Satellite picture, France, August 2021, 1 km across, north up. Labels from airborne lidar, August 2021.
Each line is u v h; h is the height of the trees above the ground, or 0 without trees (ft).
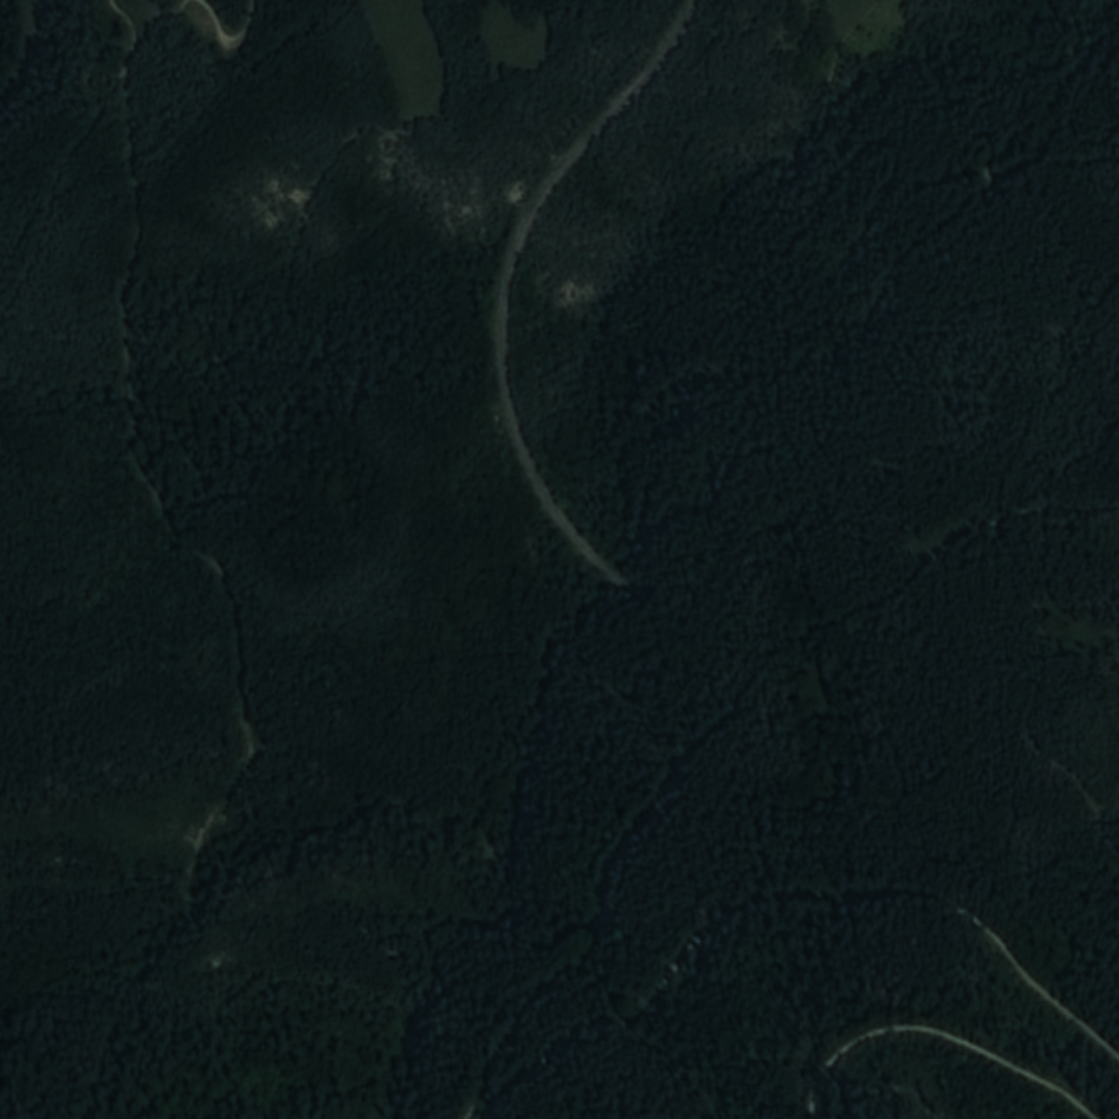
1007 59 44
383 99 50
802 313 100
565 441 82
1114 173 58
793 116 37
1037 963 51
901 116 101
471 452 54
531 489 54
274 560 63
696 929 88
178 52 68
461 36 50
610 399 82
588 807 72
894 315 59
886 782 96
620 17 41
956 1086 44
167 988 75
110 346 41
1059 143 75
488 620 48
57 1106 108
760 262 93
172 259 39
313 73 55
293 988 86
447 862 19
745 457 97
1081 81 54
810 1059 20
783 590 58
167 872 67
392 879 37
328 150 45
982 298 85
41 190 48
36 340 47
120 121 23
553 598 119
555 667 103
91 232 44
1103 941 104
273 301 87
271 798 87
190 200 33
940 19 59
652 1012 22
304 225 26
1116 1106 88
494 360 40
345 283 100
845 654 57
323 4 43
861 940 77
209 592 83
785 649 88
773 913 104
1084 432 68
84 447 82
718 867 96
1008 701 77
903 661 96
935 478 74
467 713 83
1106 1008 98
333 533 52
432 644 49
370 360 89
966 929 91
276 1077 50
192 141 60
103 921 67
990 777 75
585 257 24
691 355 96
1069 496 58
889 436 101
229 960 22
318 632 66
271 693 78
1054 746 66
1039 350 85
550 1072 87
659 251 40
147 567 72
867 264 70
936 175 96
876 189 73
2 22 83
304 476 54
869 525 96
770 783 90
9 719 86
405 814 34
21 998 75
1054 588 71
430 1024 112
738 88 32
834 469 89
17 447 83
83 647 82
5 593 72
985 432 52
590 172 42
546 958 118
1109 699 80
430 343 99
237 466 116
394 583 52
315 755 74
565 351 45
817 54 37
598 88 42
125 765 94
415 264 85
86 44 77
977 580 74
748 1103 50
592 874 73
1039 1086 31
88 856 51
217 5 41
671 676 97
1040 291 76
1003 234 92
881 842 93
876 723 117
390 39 0
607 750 79
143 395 21
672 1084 85
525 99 35
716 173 37
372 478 55
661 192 28
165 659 87
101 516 81
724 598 94
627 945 77
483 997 91
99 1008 93
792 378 101
